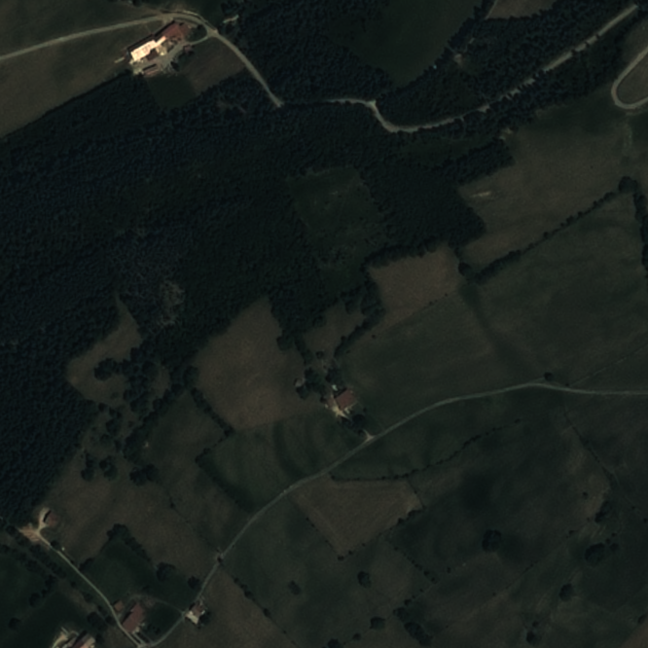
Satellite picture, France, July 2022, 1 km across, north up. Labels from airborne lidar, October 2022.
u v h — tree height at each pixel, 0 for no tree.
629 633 0
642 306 0
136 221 15
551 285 0
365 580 17
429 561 0
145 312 26
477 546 0
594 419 0
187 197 10
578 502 0
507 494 0
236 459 0
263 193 17
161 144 23
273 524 0
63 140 12
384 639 0
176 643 0
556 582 0
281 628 0
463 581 0
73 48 0
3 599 0
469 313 0
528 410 0
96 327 28
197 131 19
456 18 0
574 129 0
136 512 0
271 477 0
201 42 0
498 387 0
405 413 0
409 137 21
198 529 0
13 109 0
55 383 30
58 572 17
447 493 0
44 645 0
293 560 0
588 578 0
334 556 0
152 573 0
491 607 0
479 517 0
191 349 20
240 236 15
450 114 15
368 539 0
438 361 0
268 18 19
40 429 21
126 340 0
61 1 0
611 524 0
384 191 14
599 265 0
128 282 25
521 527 0
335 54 6
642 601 0
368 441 0
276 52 19
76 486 0
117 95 13
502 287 0
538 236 0
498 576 0
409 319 0
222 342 0
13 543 0
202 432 0
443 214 15
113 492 0
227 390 0
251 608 0
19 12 0
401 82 0
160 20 0
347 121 12
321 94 20
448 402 0
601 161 0
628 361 0
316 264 14
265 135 9
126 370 26
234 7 21
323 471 0
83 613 0
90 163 21
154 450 0
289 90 34
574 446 0
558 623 0
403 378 0
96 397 0
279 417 0
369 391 0
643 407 0
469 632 0
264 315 0
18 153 15
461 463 0
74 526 0
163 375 0
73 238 27
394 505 0
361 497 0
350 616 0
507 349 0
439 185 14
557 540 0
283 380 0
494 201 0
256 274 12
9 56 0
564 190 0
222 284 13
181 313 16
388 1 11
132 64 0
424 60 0
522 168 0
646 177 0
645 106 0
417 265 0
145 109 6
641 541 0
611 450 0
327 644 0
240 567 0
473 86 13
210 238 14
